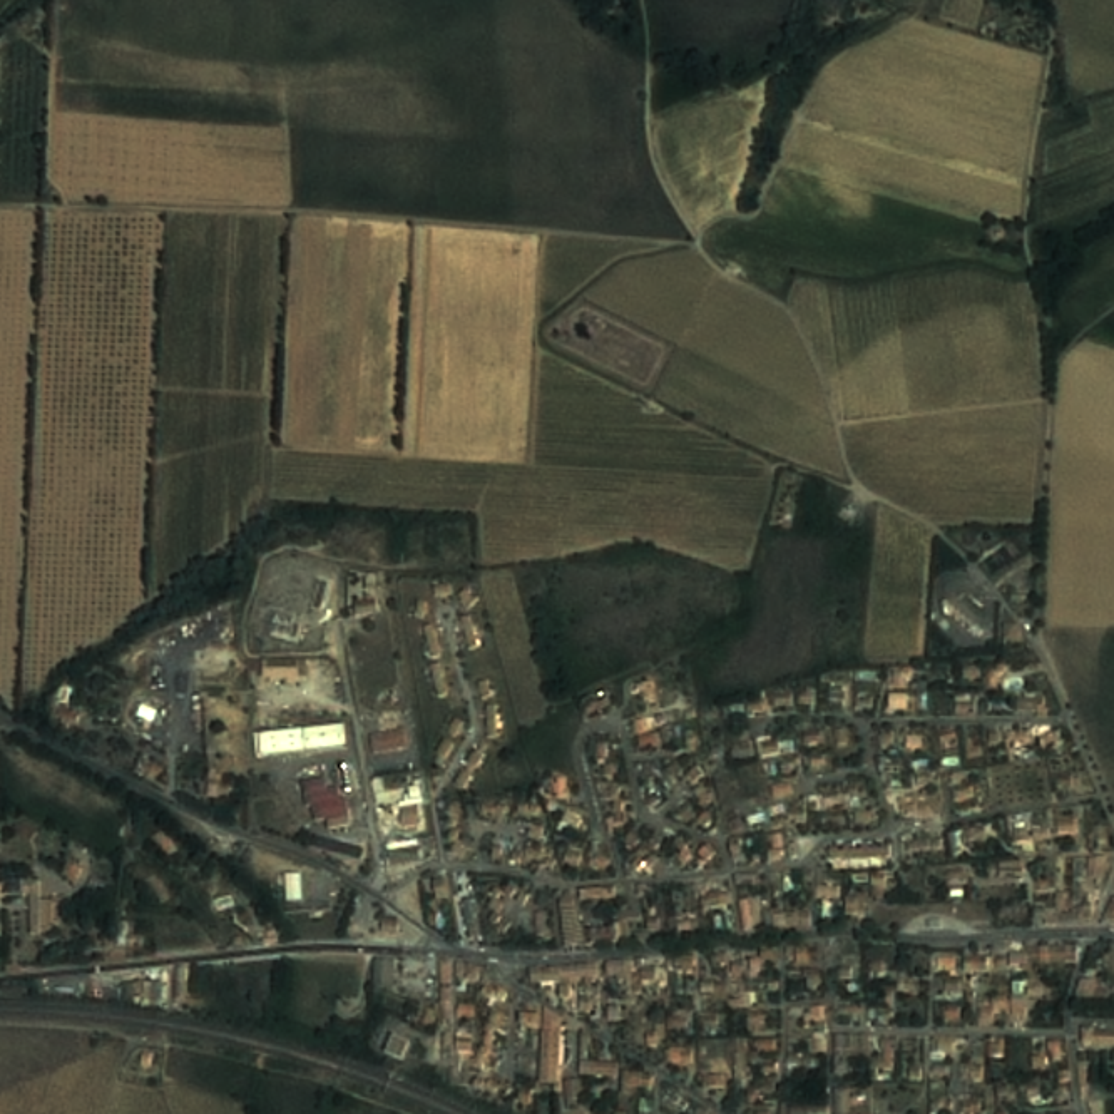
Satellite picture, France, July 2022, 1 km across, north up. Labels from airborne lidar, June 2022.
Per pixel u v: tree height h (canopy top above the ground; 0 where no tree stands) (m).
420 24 0
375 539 0
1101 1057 8
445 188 0
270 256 0
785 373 0
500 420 0
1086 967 7
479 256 0
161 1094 0
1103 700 0
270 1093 0
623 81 0
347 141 0
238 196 0
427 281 0
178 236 0
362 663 0
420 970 0
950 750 0
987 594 0
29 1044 0
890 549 0
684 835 6
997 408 0
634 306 0
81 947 13
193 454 0
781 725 7
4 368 0
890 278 0
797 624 0
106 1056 0
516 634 0
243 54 0
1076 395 0
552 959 0
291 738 0
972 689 11
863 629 0
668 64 16
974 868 5
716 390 0
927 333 0
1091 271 0
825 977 12
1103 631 0
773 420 0
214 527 0
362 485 0
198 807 10
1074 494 0
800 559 0
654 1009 13
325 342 0
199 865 8
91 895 19
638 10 25
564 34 0
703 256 0
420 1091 0
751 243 0
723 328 0
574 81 0
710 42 0
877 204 0
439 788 0
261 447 0
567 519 0
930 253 0
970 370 0
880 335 0
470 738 0
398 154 0
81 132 0
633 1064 8
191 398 0
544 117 0
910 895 8
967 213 0
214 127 0
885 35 0
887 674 8
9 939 7
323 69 0
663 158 0
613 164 0
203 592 10
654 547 9
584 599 0
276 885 0
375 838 0
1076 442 0
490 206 0
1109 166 0
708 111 0
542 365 0
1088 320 0
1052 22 8
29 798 0
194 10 0
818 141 0
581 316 0
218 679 0
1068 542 0
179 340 0
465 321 0
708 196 0
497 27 0
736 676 0
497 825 0
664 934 9
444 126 0
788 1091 14
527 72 0
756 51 0
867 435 0
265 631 0
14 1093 0
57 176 0
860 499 0
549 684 8
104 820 0
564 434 0
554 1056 0
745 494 0
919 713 0
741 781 0
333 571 0
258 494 0
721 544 0
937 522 0
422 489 0
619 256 0
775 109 6
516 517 0
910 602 0
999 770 0
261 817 0
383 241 0
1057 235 9
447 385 0
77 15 0
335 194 0
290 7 0
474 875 10
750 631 0
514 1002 0
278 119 0
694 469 0
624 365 0
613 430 0
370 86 0
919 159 0
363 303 0
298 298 0
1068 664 0
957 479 0
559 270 0
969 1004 7
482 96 0
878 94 0
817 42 11
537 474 0
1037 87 0
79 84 0
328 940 0
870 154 0
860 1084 8
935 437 0
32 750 8
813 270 0
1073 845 8
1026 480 0
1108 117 0
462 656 8
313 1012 0
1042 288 13
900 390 0
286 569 0
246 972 0
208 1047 0
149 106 0
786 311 0
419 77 0
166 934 0
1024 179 0
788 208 0
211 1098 0
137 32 0
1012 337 0
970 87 0
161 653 0
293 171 0
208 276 0
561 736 0
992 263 0
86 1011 0
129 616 8
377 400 0
